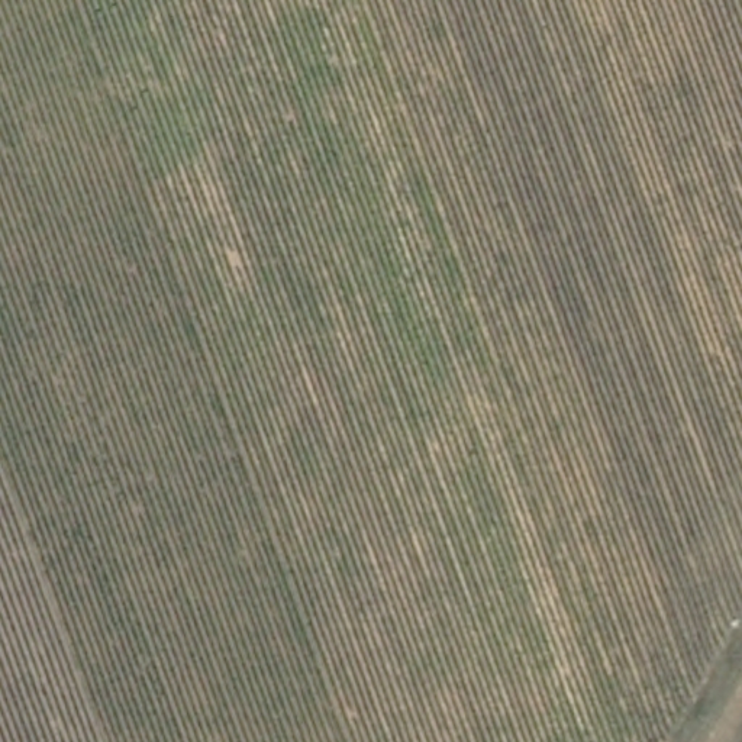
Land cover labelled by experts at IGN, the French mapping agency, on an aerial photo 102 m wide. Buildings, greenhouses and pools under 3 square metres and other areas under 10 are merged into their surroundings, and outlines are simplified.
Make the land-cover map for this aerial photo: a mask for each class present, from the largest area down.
<instances>
[{"label":"vineyard","instance_id":"1","mask_svg":"<svg viewBox=\"0 0 742 742\"><path fill-rule=\"evenodd\" d=\"M742 678V0H0V742H704L713 719L725 710L728 699L733 696Z\"/></svg>","mask_w":742,"mask_h":742},{"label":"pervious surface","instance_id":"2","mask_svg":"<svg viewBox=\"0 0 742 742\"><path fill-rule=\"evenodd\" d=\"M704 742H742V678L733 696L728 699L725 710L713 719Z\"/></svg>","mask_w":742,"mask_h":742}]
</instances>
